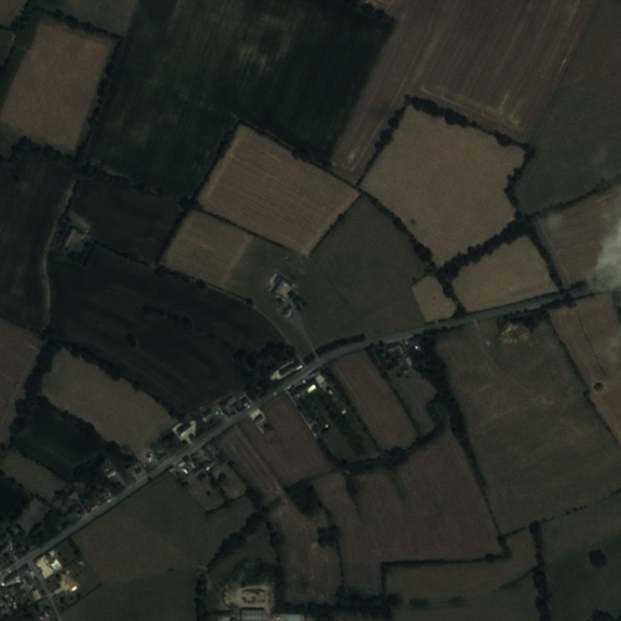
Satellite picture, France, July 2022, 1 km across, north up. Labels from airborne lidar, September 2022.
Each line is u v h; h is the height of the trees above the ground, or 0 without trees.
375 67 0
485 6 0
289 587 0
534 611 0
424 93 0
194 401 0
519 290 0
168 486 0
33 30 0
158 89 0
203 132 0
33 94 0
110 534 0
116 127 0
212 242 0
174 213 0
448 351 0
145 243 0
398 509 0
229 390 0
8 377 0
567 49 0
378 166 0
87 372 0
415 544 0
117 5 0
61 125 0
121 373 16
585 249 0
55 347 17
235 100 0
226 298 0
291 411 0
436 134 0
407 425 0
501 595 0
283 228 0
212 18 0
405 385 0
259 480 0
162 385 0
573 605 0
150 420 0
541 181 0
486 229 0
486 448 0
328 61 0
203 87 0
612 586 0
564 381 0
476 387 0
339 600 18
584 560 0
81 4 0
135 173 0
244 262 0
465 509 0
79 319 0
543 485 0
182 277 7
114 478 0
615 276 12
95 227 0
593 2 0
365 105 0
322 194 0
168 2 0
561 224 0
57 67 0
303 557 0
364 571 0
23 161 0
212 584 0
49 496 0
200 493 0
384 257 0
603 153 0
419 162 0
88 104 0
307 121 0
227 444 0
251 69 0
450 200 0
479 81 0
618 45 0
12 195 0
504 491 0
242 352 12
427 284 0
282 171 0
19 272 0
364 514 0
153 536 0
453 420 9
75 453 0
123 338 0
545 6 0
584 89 0
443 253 0
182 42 0
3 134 0
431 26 0
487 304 0
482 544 0
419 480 0
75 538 0
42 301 0
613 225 0
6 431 0
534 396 0
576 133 0
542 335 0
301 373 0
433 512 0
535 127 0
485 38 0
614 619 10
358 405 0
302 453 0
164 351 0
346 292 0
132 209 0
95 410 0
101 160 0
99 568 0
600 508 0
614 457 0
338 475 0
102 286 0
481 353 0
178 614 0
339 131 0
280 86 0
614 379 0
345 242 0
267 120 0
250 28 0
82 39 0
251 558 0
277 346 12
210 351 0
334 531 17
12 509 0
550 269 10
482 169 0
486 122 0
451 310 0
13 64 0
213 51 0
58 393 0
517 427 0
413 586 0
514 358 0
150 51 0
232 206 0
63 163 8
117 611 0
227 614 0
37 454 0
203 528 0
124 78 0
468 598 0
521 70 0
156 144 0
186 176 0
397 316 0
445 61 0
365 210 0
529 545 0
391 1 0
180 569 0
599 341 0
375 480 0
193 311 0
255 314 0
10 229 0
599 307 0
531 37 0
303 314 0
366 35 0
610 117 0
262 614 0
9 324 0
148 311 17
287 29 0
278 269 0
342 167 0
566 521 0
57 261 0
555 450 0
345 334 0
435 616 0
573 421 0
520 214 13
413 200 0
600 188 13
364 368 0
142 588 0
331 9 0
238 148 0
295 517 0
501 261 0
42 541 8
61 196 0
